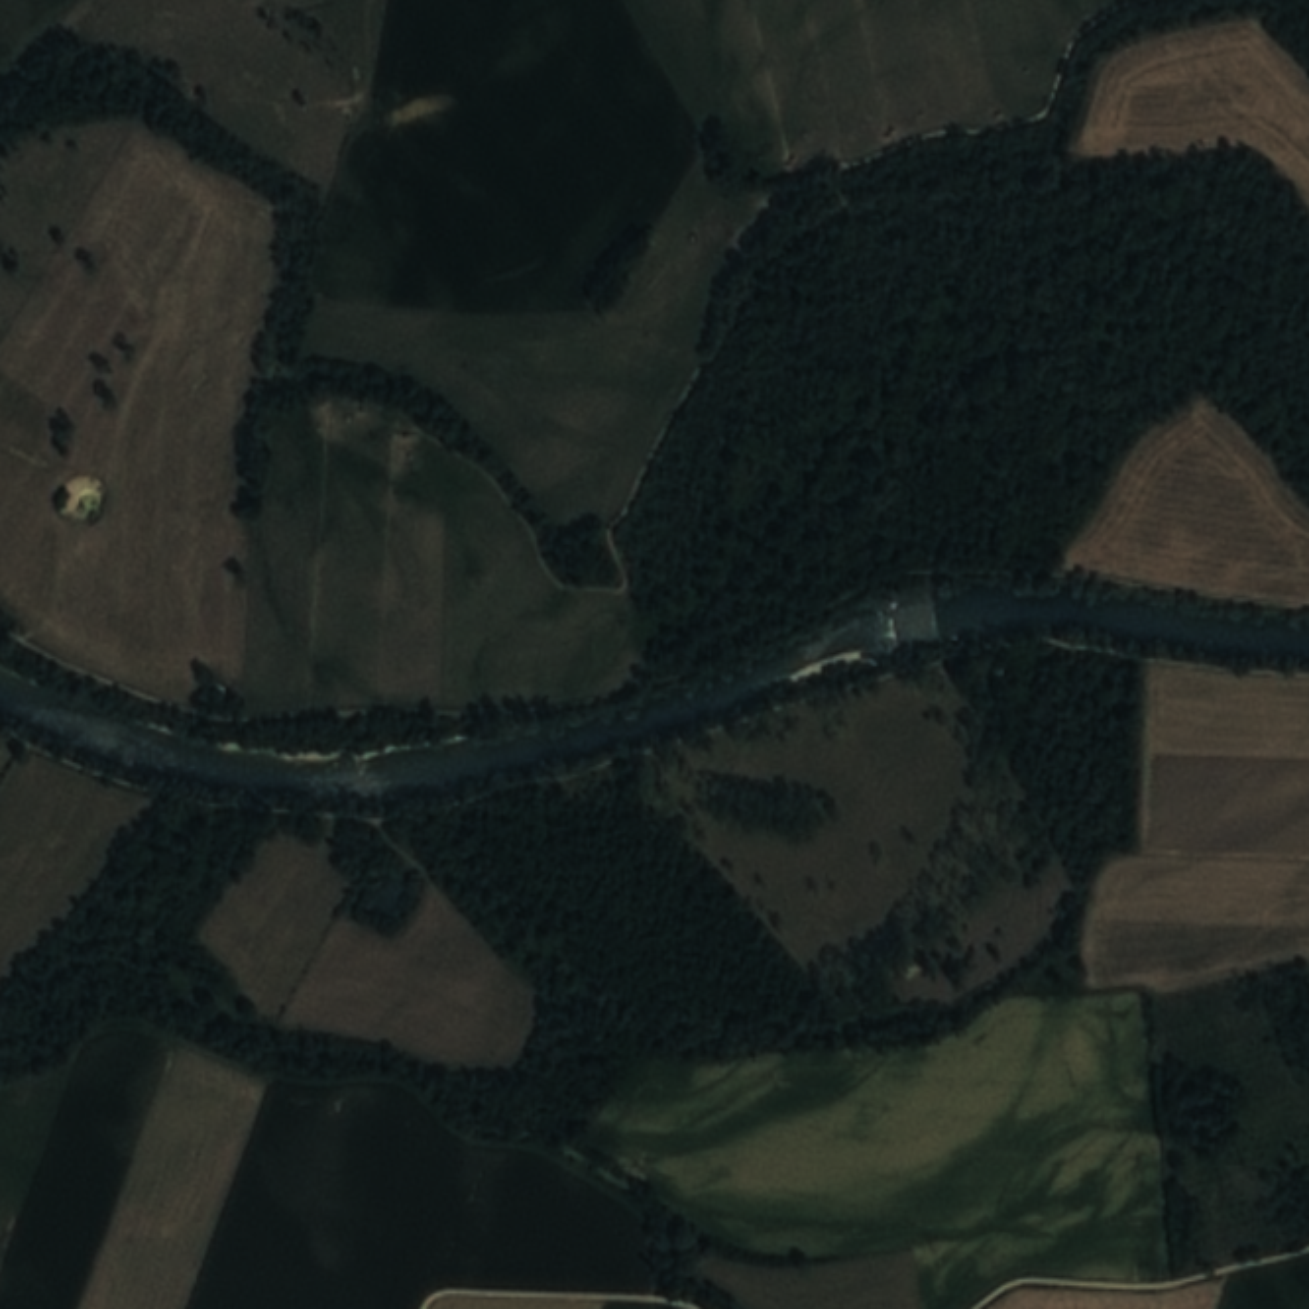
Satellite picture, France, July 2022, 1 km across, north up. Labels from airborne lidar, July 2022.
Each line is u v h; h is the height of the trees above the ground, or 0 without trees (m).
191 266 0
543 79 0
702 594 19
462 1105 7
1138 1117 0
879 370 15
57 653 0
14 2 0
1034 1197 0
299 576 0
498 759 0
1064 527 6
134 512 0
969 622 0
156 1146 0
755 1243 0
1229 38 0
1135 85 0
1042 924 0
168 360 0
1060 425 7
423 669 0
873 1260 0
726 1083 0
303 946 0
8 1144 0
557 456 0
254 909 0
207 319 0
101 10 0
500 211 0
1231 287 17
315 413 0
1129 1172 0
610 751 11
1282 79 0
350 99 0
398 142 0
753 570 19
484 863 14
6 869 0
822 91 0
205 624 0
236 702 17
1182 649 7
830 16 0
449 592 0
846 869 0
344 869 12
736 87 0
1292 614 11
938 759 0
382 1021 0
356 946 0
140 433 0
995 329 21
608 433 0
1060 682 20
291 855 0
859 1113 0
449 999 0
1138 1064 0
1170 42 0
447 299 0
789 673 0
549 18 0
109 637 0
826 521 17
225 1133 0
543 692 0
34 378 0
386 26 0
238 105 0
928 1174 0
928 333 13
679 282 0
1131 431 8
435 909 0
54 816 0
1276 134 0
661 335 0
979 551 16
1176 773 0
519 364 0
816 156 0
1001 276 17
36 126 18
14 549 0
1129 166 16
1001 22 0
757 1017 9
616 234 0
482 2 0
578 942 11
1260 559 0
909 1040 16
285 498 0
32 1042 19
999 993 11
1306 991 15
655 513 15
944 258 12
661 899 10
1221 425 0
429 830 12
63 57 20
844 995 28
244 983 0
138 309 0
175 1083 0
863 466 22
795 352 14
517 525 0
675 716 0
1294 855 0
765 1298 0
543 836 11
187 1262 0
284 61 0
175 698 0
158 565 0
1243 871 0
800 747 0
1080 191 17
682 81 0
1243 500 0
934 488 7
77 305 0
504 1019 0
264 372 12
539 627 0
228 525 0
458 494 0
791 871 0
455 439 12
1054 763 10
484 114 0
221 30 0
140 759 0
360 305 0
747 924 6
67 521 0
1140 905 0
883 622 0
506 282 0
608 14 0
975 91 0
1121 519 0
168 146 0
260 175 8
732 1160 0
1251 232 8
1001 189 22
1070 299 7
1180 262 7
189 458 0
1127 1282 0
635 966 14
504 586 0
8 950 0
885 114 0
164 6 0
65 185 0
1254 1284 0
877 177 16
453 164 0
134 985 8
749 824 28
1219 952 0
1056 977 18
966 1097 0
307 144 0
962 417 22
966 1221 0
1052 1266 0
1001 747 25
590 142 0
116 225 0
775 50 0
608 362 0
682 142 0
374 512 0
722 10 0
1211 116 0
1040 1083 0
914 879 0
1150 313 15
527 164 0
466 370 0
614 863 11
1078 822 13
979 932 0
